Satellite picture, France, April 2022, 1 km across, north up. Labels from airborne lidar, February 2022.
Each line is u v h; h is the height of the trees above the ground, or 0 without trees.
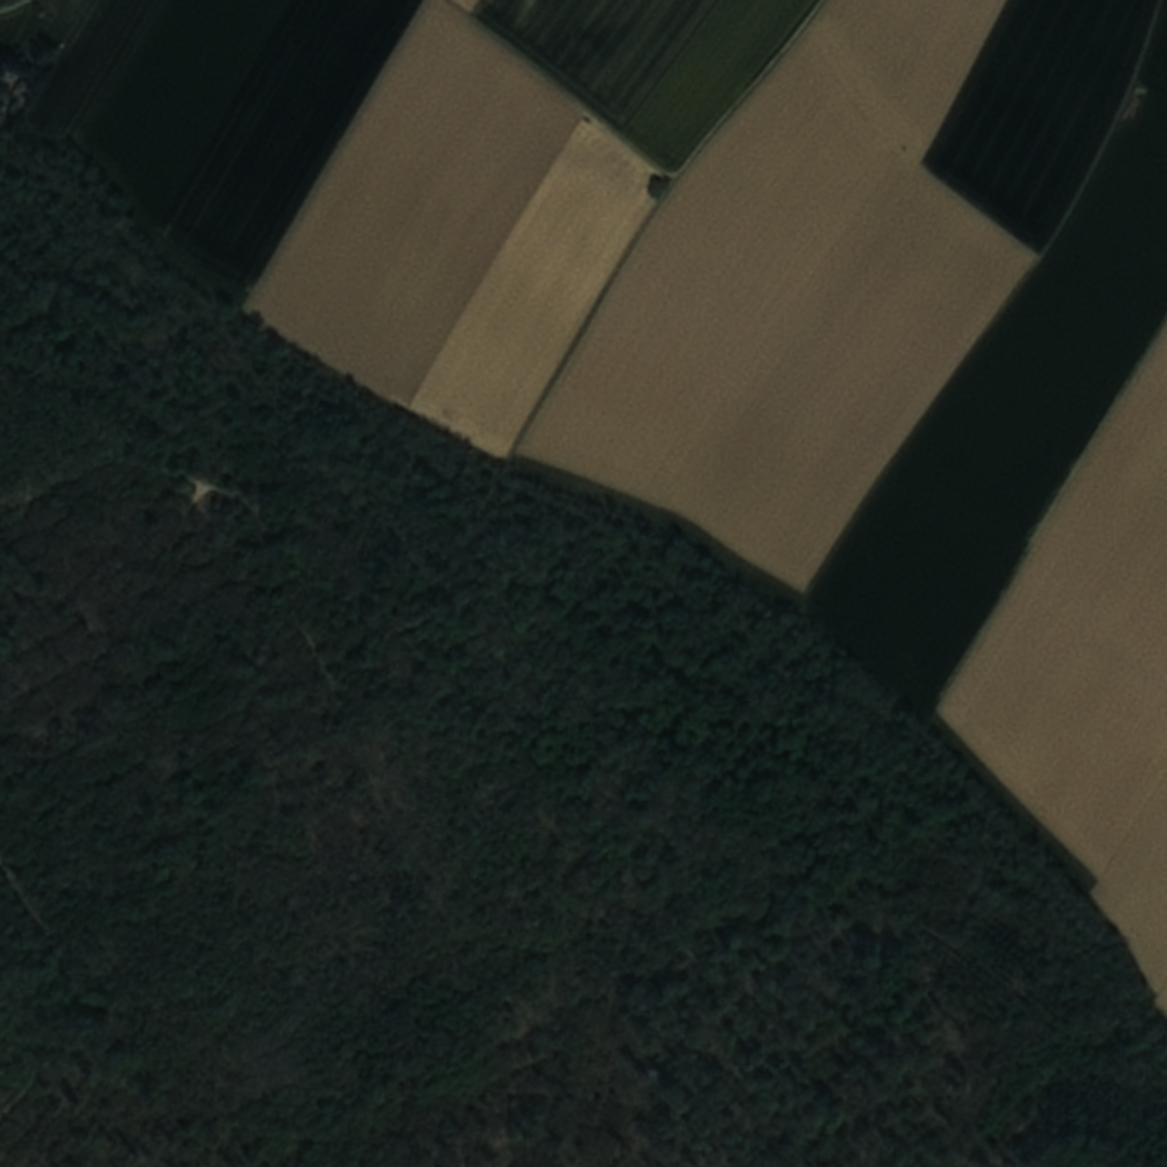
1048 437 0
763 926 16
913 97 0
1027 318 0
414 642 25
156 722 13
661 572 0
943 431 0
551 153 0
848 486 0
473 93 0
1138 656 0
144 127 0
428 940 23
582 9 0
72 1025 30
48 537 9
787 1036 38
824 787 29
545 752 22
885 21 0
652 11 0
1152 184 0
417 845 0
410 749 21
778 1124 36
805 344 0
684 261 0
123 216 23
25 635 15
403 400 0
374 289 0
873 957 37
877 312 0
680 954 29
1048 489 0
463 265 0
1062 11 0
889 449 0
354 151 0
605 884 18
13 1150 8
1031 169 0
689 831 29
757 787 28
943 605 0
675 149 0
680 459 0
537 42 0
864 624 0
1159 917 0
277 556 18
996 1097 11
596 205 0
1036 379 0
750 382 0
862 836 28
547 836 24
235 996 19
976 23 0
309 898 14
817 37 0
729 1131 37
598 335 0
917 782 10
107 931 20
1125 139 0
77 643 9
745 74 0
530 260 0
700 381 0
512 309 0
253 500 11
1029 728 0
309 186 0
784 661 24
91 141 0
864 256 0
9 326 24
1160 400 0
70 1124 5
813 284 0
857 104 0
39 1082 8
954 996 9
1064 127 0
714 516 0
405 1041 11
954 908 0
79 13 0
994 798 20
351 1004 21
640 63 0
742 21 0
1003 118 0
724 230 0
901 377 0
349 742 11
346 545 19
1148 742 0
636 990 37
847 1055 0
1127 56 0
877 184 0
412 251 0
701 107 0
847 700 31
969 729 0
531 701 29
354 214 0
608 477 0
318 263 0
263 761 15
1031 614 0
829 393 0
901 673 0
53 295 28
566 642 30
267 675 13
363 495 32
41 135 0
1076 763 0
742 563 0
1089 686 0
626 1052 0
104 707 12
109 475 17
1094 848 0
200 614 11
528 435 0
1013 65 0
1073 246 0
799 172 0
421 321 0
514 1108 8
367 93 0
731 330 0
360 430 27
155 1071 18
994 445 0
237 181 0
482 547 22
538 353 0
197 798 15
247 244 0
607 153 0
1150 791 0
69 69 0
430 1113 9
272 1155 8
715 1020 39
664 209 0
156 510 8
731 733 18
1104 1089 16
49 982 25
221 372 24
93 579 9
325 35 0
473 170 0
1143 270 0
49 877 20
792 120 0
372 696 14
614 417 0
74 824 13
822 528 0
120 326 30
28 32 0
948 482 0
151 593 8
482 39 0
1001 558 0
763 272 0
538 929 25
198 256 0
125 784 11
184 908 18
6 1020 32
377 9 0
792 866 23
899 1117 15
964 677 0
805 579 0
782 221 0
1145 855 0
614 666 29
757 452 0
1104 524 0
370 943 15
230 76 0
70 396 17
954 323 0
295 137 0
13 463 21
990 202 0
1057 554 0
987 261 0
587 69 0
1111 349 0
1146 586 0
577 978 19
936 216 0
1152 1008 13
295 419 22
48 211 22
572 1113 6
